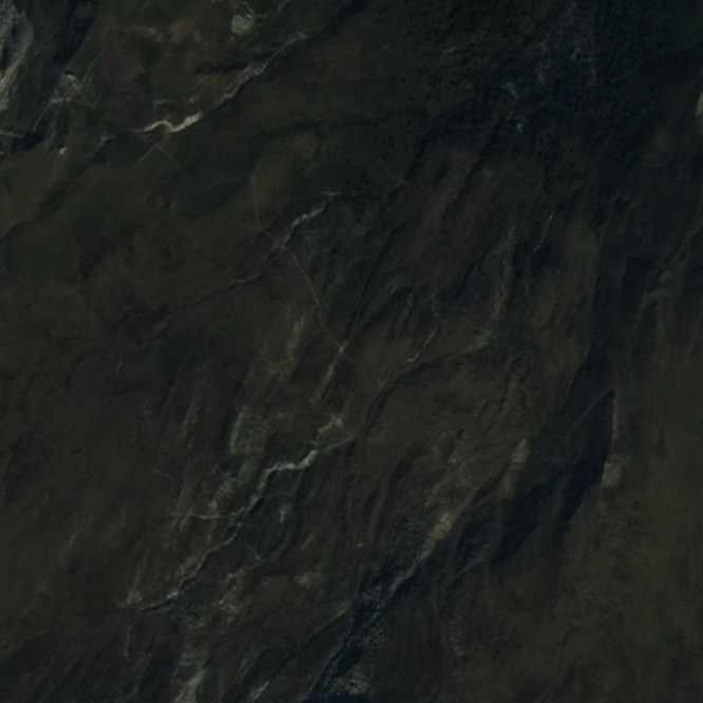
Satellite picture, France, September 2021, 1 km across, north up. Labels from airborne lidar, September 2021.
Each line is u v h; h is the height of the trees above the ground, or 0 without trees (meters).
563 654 0
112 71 0
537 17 0
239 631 0
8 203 0
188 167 0
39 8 0
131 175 0
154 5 0
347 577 0
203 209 0
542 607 0
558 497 0
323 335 0
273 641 0
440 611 0
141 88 0
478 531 0
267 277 0
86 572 0
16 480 0
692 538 0
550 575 0
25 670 0
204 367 0
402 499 0
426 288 0
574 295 0
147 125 0
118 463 0
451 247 0
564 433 0
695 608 0
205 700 0
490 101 8
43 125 0
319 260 0
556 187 0
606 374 0
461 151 0
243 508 0
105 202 0
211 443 0
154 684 0
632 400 0
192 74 0
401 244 0
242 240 0
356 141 0
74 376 0
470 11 8
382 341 0
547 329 0
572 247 0
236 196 0
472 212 0
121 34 0
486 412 0
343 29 0
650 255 0
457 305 0
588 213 0
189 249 0
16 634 0
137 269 0
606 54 9
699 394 0
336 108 0
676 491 0
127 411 0
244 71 0
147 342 0
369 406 0
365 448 0
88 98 0
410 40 0
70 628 0
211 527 0
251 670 0
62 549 0
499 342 0
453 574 0
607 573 0
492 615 0
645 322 0
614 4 6
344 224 0
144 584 0
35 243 0
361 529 0
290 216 0
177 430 0
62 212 0
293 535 0
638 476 0
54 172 0
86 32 0
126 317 0
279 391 0
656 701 0
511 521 0
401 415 0
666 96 0
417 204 0
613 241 0
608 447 0
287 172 0
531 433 0
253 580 0
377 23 0
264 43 0
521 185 0
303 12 0
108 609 0
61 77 0
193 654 0
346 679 0
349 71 0
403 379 0
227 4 0
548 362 0
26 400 0
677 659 0
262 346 0
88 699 0
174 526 0
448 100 0
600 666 0
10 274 0
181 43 0
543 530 0
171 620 0
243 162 0
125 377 0
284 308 0
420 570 0
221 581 0
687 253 0
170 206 0
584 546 0
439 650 0
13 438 0
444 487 0
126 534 0
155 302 0
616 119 8
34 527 0
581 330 0
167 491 0
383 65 0
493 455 0
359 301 0
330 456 0
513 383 0
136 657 0
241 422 0
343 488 0
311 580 0
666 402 0
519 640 0
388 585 0
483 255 0
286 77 0
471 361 0
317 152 0
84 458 0
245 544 0
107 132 0
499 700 0
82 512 0
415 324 0
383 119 0
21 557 0
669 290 0
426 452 0
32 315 0
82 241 0
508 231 0
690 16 0
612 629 0
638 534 0
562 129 0
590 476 0
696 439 0
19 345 0
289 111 0
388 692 0
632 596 0
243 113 0
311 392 0
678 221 0
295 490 0
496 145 6
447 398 0
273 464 0
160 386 0
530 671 0
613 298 0
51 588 0
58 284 0
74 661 0
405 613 0
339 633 0
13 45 0
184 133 0
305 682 0
